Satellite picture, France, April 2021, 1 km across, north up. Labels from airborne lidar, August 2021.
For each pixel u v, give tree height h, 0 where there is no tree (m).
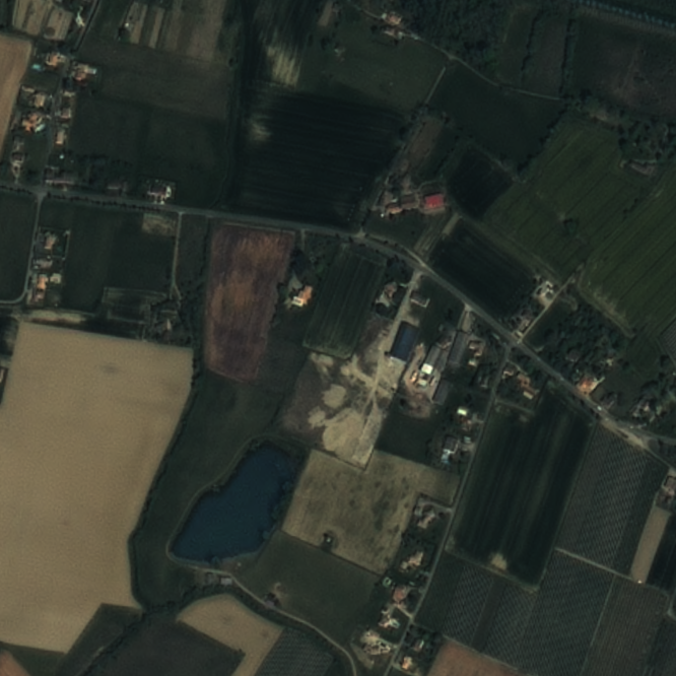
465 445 0
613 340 17
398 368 0
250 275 0
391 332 0
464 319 0
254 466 0
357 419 0
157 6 9
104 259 0
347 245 0
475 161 0
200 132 0
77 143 0
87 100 0
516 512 0
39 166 0
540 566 0
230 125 0
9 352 0
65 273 0
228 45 0
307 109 0
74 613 0
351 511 0
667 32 28
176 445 6
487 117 0
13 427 0
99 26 0
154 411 0
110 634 0
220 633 0
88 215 0
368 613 0
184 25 0
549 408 0
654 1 26
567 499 0
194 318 12
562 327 8
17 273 0
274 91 0
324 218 0
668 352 0
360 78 0
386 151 0
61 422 0
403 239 0
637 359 0
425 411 0
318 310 0
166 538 0
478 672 0
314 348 0
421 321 0
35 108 6
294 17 0
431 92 0
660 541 0
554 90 0
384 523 0
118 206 11
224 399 0
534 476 0
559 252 0
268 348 0
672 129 12
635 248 0
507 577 0
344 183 0
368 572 0
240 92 0
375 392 0
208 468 0
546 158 0
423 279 0
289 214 0
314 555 0
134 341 0
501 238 0
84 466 0
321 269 8
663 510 0
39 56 0
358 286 0
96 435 0
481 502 0
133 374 0
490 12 25
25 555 0
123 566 0
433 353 0
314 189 0
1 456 0
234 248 0
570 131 0
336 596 0
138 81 0
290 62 0
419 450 0
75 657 0
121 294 0
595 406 0
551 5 15
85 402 0
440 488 0
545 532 0
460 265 0
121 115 0
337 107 0
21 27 0
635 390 0
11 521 0
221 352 0
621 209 0
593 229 0
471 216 0
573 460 0
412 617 0
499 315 0
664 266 0
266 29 0
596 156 0
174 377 0
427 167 0
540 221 0
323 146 0
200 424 0
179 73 0
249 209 0
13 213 0
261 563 0
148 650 0
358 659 0
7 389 0
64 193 0
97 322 0
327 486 0
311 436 0
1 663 0
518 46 0
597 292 0
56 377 0
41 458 0
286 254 0
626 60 0
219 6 0
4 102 0
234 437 0
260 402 0
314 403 0
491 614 0
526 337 0
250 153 0
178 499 0
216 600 0
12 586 0
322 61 0
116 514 0
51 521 0
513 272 0
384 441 0
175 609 16
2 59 0
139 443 0
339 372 0
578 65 0
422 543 7
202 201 0
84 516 0
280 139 0
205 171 0
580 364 8
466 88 0
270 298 0
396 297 12
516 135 0
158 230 0
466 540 0
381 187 8
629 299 0
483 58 19
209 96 0
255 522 0
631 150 10
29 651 0
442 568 0
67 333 0
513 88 13
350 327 0
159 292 0
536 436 0
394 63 0
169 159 0
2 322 0
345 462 0
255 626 0
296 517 0
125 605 0
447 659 0
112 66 0
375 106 0
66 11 0
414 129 13
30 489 0
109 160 15
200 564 0
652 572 0
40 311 0
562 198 0
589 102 23
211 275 0
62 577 0
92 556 0
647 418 10
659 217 0
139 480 0
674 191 0
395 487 0
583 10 23
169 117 0
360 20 13
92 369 0
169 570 0
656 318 0
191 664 0
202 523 0
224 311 0
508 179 0
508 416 0
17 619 0
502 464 0
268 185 0
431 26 31
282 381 0
